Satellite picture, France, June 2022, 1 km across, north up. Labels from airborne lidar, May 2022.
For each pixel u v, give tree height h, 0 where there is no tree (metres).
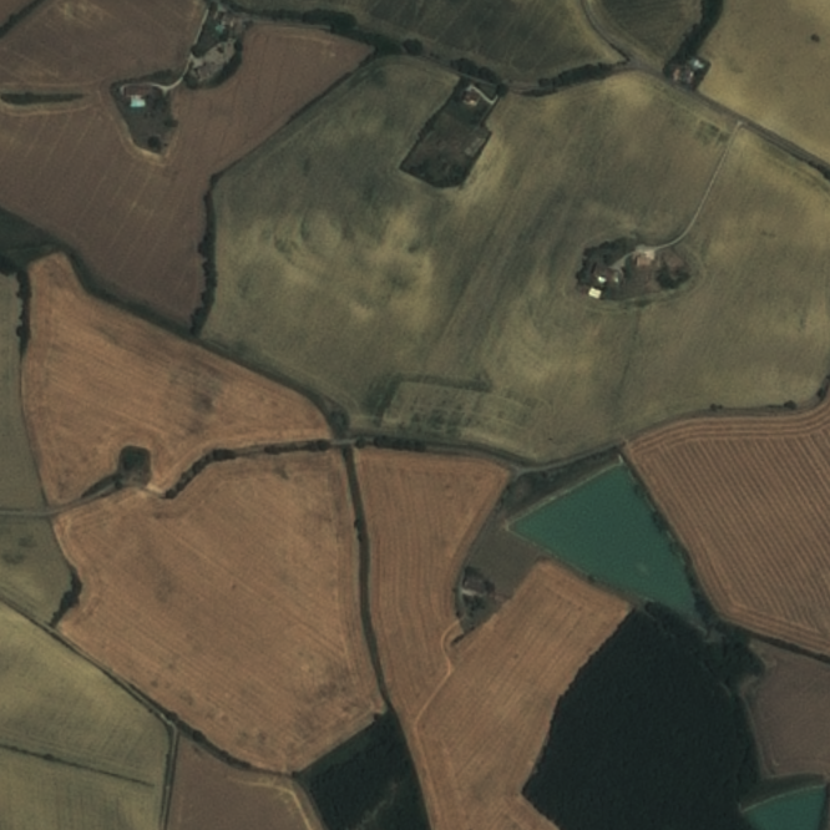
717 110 0
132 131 0
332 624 0
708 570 0
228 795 0
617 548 0
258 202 0
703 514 0
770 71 0
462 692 0
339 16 13
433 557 0
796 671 0
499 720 0
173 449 0
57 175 0
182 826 0
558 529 0
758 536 0
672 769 17
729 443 0
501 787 0
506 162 0
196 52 8
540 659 0
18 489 0
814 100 0
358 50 0
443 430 0
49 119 0
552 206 0
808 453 0
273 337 0
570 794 12
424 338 0
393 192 0
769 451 0
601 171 0
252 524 0
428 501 0
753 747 11
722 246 0
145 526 0
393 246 0
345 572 0
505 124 0
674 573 0
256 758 0
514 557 0
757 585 0
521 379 0
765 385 0
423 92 0
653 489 0
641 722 18
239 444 0
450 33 0
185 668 0
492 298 0
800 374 0
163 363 0
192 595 0
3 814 0
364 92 0
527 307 0
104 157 0
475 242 0
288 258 0
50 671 0
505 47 0
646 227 0
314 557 0
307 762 0
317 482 0
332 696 0
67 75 0
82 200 0
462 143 0
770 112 0
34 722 0
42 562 0
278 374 0
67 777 0
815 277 0
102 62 0
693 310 0
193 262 0
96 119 0
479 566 0
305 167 0
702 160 0
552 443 0
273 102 0
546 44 0
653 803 19
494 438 0
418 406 0
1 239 0
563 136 0
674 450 0
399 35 0
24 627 0
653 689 17
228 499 0
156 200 0
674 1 0
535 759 0
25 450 0
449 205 0
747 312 0
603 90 0
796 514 0
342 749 0
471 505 0
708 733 17
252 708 0
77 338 0
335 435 0
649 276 0
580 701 13
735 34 0
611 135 0
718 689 17
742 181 0
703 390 0
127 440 0
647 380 0
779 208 0
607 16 0
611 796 16
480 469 0
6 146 0
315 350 0
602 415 0
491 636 0
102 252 0
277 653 0
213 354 0
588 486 0
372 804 21
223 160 0
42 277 0
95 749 0
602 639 0
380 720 9
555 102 0
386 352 0
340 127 0
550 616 0
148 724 0
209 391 0
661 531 6
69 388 0
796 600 0
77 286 0
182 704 0
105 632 0
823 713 0
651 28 0
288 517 0
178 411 0
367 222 0
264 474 0
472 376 0
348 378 0
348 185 0
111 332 0
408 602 0
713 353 0
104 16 0
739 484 0
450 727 0
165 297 0
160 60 0
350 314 0
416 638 0
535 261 0
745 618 0
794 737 0
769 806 0
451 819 0
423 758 0
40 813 0
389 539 0
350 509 0
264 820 0
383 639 0
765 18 0
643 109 0
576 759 13
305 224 0
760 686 0
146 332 0
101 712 0
